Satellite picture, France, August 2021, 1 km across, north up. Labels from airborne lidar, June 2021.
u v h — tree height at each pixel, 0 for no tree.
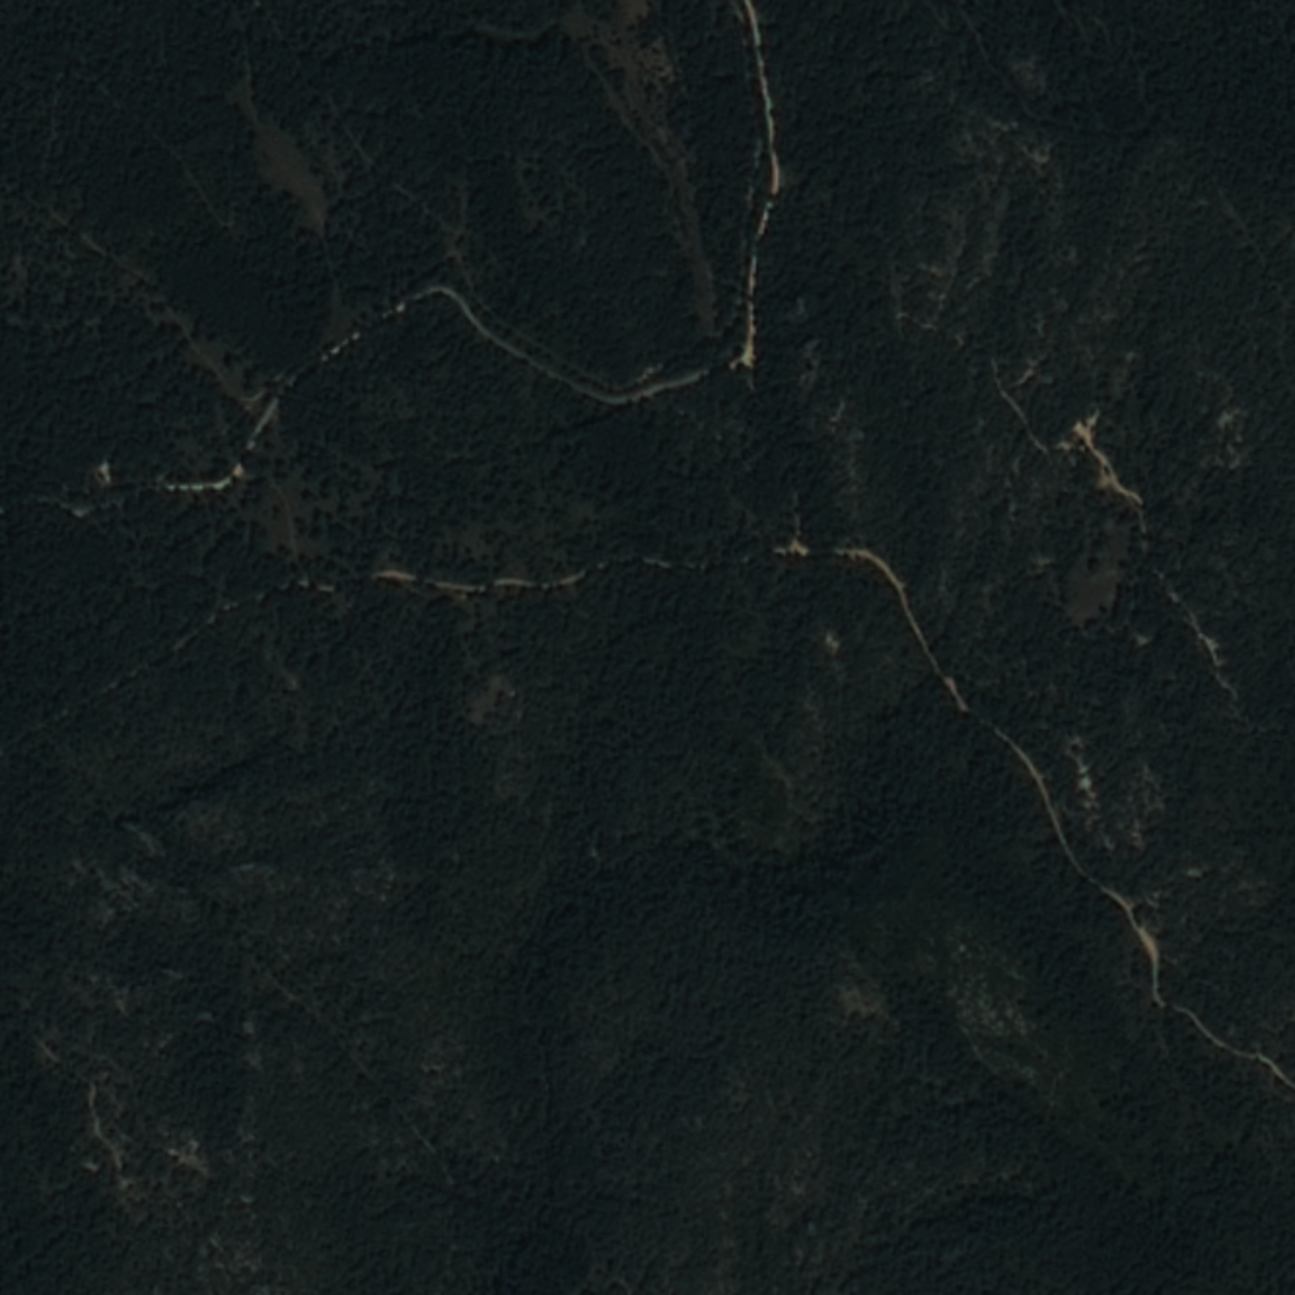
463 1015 8
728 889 10
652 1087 6
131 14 8
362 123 6
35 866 6
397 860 6
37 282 8
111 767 6
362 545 8
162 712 7
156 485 6
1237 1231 11
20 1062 7
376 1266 6
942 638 7
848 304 7
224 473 8
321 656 9
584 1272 9
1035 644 9
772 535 6
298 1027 7
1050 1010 7
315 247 6
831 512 8
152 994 7
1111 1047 7
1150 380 7
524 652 7
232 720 8
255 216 6
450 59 12
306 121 8
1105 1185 8
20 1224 9
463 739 8
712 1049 7
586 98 10
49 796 8
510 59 12
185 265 9
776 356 7
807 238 7
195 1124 6
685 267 9
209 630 7
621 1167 7
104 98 6
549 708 8
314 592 7
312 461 11
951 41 7
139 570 8
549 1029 9
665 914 8
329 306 8
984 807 7
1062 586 8
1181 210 6
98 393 10
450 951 6
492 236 8
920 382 8
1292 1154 7
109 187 8
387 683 9
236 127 11
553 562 6
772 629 7
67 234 9
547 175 7
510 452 5
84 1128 7
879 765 11
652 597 10
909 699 9
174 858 12
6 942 8
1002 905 9
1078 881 8
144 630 6
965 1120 9
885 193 9
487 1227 10
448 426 6
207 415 8
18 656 12
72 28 9
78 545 12
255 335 9
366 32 8
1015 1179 6
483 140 8
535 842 9
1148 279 7
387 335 7
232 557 11
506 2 6
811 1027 7
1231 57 8
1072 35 10
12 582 15
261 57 11
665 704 7
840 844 14
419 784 8
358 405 6
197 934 6
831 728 6
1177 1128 9
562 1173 9
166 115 8
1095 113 9
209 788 8
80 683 12
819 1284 9
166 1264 8
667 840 9
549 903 9
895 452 7
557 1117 8
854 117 7
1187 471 6
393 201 8
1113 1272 8
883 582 6
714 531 10
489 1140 5
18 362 11
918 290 5
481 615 7
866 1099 6
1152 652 6
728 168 8
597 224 7
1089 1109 0
